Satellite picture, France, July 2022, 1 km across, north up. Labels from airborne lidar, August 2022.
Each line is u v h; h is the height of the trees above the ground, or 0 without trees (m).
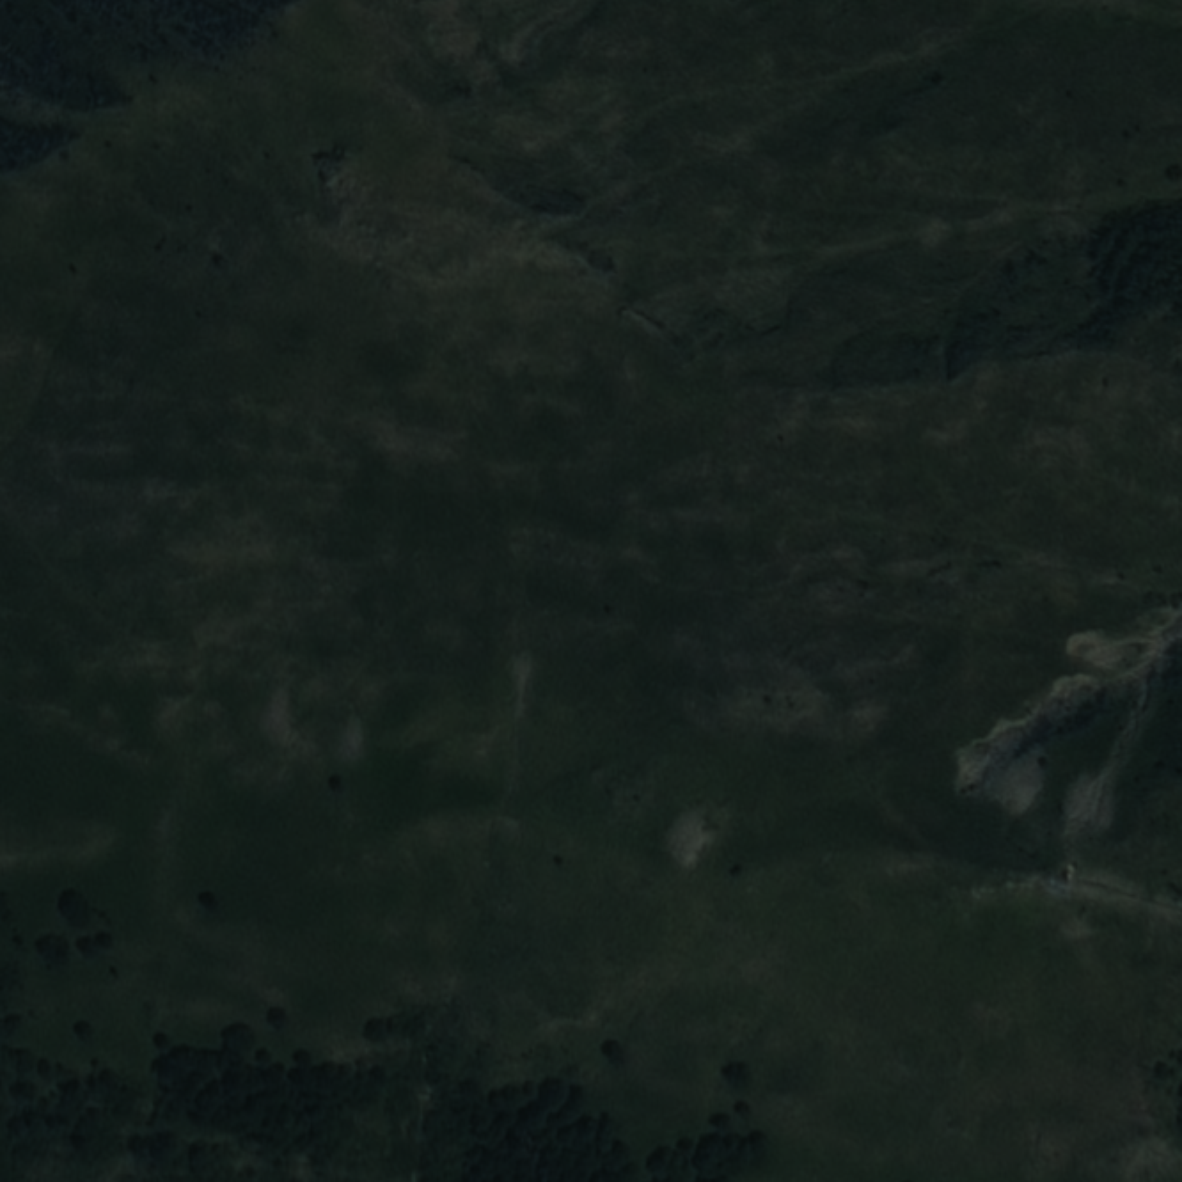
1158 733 0
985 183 0
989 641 0
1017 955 0
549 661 0
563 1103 21
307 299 0
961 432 0
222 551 0
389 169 0
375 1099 26
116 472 0
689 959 0
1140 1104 0
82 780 0
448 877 0
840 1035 0
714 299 0
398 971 0
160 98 0
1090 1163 0
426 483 0
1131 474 0
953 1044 0
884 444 0
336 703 0
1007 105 0
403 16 0
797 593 0
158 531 0
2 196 0
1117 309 10
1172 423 0
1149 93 0
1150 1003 0
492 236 0
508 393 0
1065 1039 0
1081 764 0
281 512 0
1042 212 0
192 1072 12
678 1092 0
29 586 0
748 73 0
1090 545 0
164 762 0
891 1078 0
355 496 0
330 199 0
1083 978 0
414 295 0
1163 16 0
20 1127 12
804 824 0
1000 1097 0
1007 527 0
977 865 0
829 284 0
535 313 0
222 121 0
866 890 0
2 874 0
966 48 0
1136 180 0
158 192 0
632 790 0
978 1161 0
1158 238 14
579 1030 0
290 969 0
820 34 0
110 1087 18
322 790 0
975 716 0
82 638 0
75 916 25
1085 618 0
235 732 0
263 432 0
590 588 0
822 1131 0
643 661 0
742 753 0
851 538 0
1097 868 0
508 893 0
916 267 0
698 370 0
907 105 0
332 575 0
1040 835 0
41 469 0
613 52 0
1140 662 0
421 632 0
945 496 0
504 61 0
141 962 0
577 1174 22
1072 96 10
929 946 0
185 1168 7
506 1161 26
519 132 0
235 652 0
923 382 0
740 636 0
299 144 0
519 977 0
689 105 0
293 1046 0
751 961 0
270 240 0
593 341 0
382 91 0
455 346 0
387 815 0
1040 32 0
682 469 0
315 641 0
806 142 0
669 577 0
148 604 0
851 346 0
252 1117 22
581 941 0
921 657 0
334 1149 26
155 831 0
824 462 0
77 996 0
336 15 0
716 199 0
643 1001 0
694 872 0
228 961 0
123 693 0
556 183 0
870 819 0
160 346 0
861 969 0
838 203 0
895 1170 0
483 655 0
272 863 0
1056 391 0
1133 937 0
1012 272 11
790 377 0
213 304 0
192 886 0
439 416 0
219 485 0
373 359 0
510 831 0
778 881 0
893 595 0
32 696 0
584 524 0
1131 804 0
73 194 0
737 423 0
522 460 0
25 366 0
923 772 0
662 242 0
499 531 0
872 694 0
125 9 16
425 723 0
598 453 0
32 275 0
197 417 0
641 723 0
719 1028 0
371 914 0
